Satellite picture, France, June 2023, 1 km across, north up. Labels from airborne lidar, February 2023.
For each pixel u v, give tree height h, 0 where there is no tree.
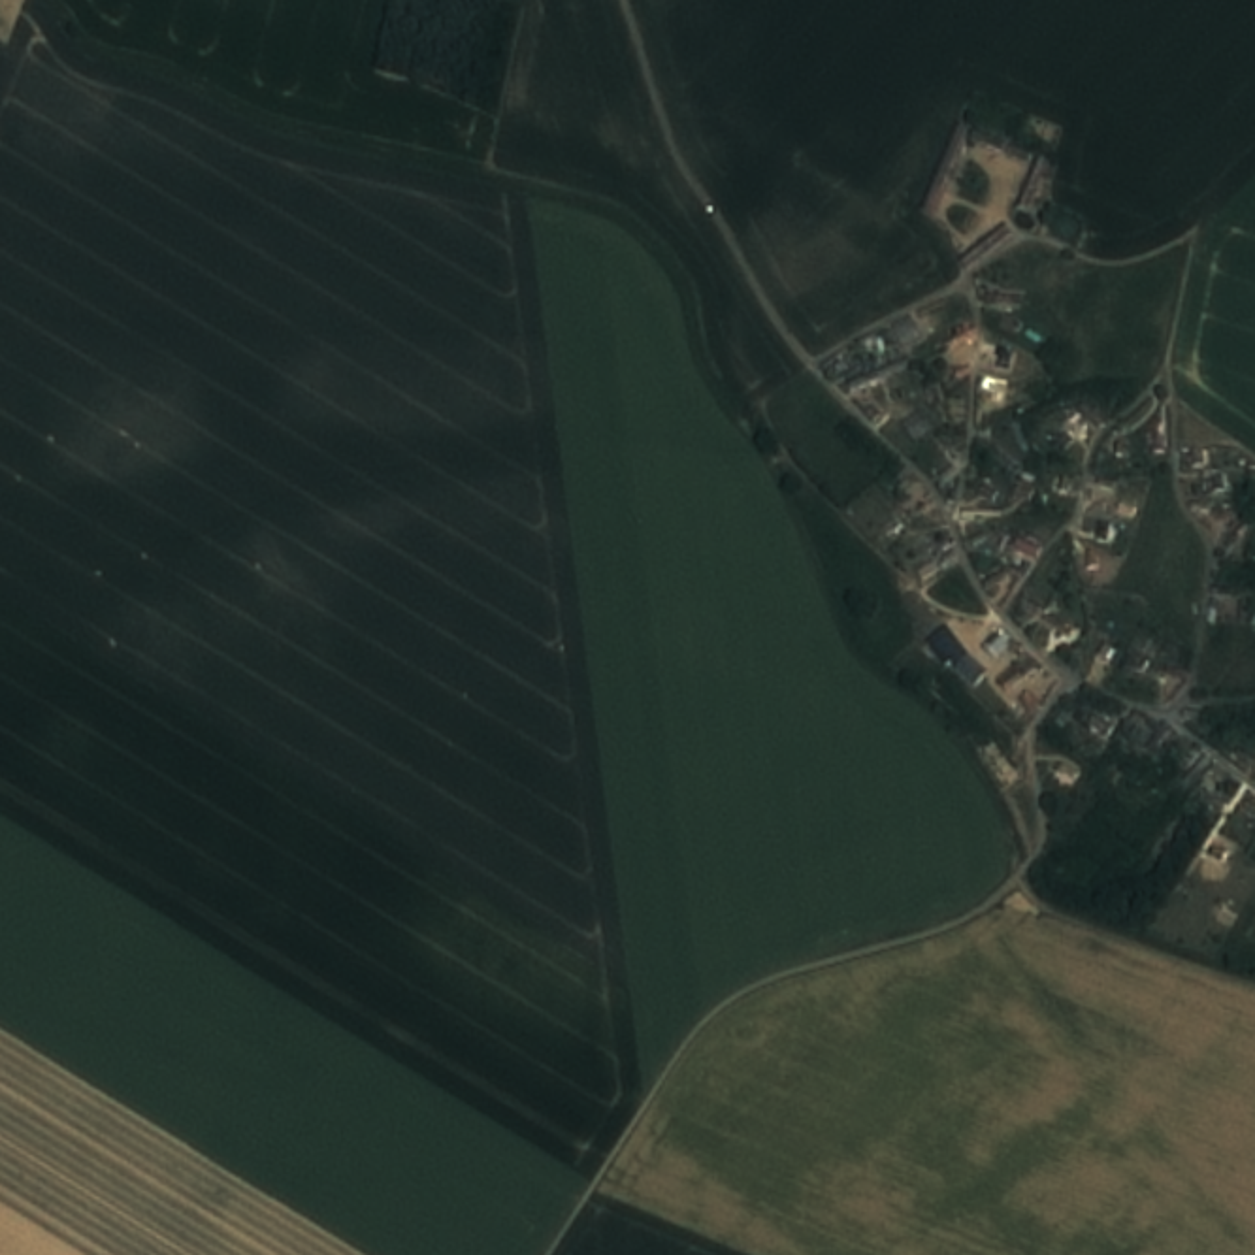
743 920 0
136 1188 0
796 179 0
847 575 0
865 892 0
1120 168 0
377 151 0
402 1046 0
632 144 0
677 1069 0
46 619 0
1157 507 0
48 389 0
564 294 0
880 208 0
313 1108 0
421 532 0
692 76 0
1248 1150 0
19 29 0
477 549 0
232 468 0
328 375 0
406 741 0
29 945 0
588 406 0
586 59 0
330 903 0
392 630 0
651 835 0
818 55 0
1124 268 0
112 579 0
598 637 0
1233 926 0
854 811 0
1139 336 0
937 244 0
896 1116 0
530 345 0
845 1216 0
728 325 0
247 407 0
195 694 0
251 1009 0
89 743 0
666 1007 0
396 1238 0
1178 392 0
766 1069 0
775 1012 0
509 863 0
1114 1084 0
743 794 0
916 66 0
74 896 0
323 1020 0
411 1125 0
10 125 0
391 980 0
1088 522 0
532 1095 0
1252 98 0
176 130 0
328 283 0
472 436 0
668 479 0
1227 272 0
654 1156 0
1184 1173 0
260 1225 0
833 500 7
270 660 0
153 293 0
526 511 0
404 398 0
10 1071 0
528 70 0
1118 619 0
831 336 0
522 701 0
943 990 0
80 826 0
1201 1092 0
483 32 15
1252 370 0
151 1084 0
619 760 0
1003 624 0
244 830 0
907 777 0
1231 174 0
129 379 0
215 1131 0
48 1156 0
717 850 0
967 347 0
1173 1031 0
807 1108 0
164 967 0
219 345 0
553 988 0
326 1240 0
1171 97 0
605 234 0
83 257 0
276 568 0
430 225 0
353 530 0
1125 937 0
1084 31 0
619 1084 0
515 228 0
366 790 0
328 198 0
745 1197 0
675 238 0
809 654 0
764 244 0
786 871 0
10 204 0
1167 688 0
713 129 0
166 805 0
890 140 0
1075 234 0
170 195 0
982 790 0
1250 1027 0
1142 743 7
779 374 0
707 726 0
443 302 0
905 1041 0
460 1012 0
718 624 0
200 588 0
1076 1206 0
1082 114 0
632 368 0
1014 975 0
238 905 0
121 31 0
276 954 0
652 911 0
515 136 0
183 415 0
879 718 0
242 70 0
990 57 0
